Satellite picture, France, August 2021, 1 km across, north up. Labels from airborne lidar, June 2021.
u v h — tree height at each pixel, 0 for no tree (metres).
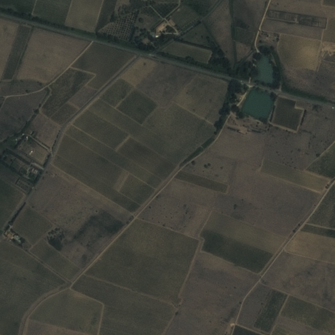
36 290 0
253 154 0
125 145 0
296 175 0
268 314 0
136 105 0
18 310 0
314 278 0
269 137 0
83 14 0
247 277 0
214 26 0
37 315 0
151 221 0
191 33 0
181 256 0
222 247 0
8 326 0
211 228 0
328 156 0
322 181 0
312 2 0
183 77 0
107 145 0
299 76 0
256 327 0
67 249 0
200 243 0
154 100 0
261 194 0
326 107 0
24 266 0
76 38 0
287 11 0
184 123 0
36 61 0
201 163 0
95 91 0
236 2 0
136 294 0
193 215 0
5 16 0
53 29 0
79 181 0
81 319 0
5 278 0
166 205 0
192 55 0
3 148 0
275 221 0
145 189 0
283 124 0
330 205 0
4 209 0
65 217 0
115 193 0
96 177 0
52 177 0
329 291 0
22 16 11
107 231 0
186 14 0
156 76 0
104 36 12
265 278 0
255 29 0
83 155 0
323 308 0
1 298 0
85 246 0
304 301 0
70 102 0
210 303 0
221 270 0
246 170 0
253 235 0
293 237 0
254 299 0
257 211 0
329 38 0
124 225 0
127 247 0
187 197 0
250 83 0
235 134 0
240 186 0
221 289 0
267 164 0
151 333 0
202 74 0
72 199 0
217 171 0
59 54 0
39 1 0
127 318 0
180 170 0
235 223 0
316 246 0
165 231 0
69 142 0
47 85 0
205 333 0
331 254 0
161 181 0
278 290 0
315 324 0
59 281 0
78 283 0
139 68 0
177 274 0
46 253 0
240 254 0
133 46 6
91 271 0
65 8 0
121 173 0
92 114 0
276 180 0
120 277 0
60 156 0
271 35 0
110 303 0
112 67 0
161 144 0
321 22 0
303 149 0
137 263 0
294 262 0
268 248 0
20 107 0
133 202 0
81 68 0
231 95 6
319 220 0
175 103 0
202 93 0
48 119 0
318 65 0
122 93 0
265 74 0
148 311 0
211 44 7
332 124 0
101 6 0
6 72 0
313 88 0
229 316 0
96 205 0
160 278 0
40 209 0
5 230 8
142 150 0
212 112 0
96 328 0
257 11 0
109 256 0
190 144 0
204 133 0
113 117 0
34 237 0
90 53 0
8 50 0
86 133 0
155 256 0
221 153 0
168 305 0
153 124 0
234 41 0
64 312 0
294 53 0
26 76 0
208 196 0
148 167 0
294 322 0
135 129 0
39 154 0
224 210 0
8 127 0
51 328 0
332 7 0
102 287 0
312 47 0
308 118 0
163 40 14
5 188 0
